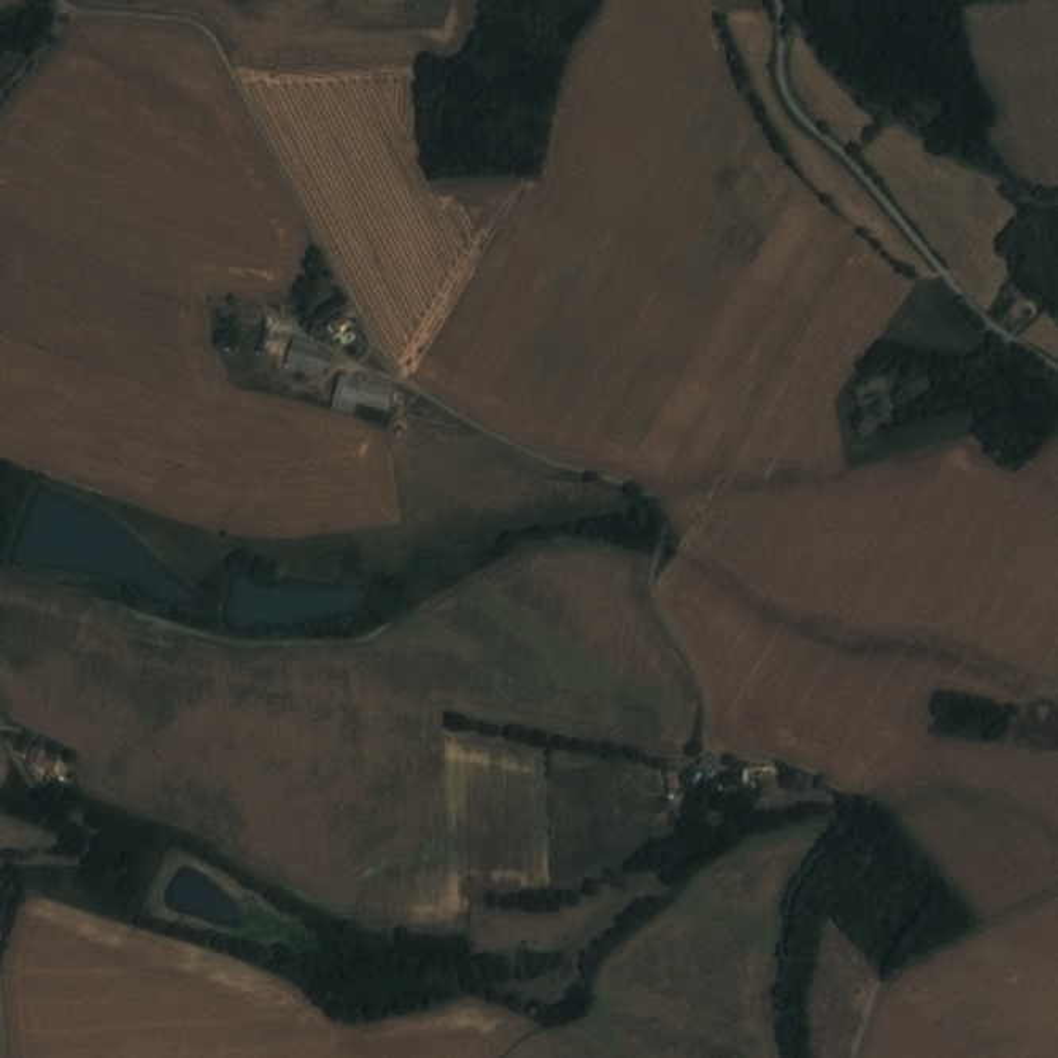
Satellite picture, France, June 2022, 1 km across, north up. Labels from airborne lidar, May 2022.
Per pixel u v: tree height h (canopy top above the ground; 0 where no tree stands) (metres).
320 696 0
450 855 0
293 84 0
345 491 0
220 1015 0
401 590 8
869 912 16
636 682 0
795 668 0
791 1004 15
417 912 0
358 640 0
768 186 0
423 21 0
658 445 0
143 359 0
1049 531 0
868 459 0
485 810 0
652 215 0
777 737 0
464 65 17
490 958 15
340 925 8
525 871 0
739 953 0
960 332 0
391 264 0
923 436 0
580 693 0
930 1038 0
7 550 0
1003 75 0
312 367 0
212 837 0
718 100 0
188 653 0
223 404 0
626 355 0
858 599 0
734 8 0
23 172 0
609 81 0
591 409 0
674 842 19
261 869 0
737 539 0
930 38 23
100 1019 0
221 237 0
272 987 0
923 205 0
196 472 0
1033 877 0
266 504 0
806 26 14
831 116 0
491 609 0
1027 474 0
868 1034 0
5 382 0
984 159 23
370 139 0
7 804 11
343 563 0
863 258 0
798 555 0
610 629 0
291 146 0
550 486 0
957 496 0
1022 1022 0
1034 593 0
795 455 0
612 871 13
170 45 0
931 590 0
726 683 0
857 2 15
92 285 0
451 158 22
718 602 0
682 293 0
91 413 0
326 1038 0
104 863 9
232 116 0
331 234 0
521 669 0
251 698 0
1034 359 13
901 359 15
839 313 0
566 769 0
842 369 0
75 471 0
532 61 19
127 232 0
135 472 0
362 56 0
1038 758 0
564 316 0
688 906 0
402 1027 0
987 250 0
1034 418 23
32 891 0
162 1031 0
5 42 11
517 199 0
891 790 0
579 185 0
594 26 0
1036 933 0
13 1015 0
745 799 15
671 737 0
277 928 0
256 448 0
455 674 0
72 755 12
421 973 9
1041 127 0
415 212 0
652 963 0
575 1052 0
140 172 0
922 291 0
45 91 0
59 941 0
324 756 0
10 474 14
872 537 0
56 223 0
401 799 0
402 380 0
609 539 16
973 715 17
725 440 0
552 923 0
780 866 0
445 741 0
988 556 0
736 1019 0
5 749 0
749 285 0
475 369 0
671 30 0
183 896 0
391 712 0
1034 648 0
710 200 0
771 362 0
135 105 0
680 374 0
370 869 0
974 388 16
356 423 0
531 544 11
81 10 0
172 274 0
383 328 0
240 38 0
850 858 20
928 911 19
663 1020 0
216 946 11
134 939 0
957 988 0
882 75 13
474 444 0
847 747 0
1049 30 0
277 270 0
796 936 17
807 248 0
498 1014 0
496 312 0
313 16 0
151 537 0
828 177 0
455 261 0
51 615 0
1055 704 0
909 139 0
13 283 0
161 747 0
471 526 0
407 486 0
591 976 16
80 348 0
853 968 0
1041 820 0
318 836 0
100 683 0
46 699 0
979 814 0
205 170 0
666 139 0
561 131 0
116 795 0
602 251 0
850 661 0
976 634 0
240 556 13
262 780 0
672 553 9
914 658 0
